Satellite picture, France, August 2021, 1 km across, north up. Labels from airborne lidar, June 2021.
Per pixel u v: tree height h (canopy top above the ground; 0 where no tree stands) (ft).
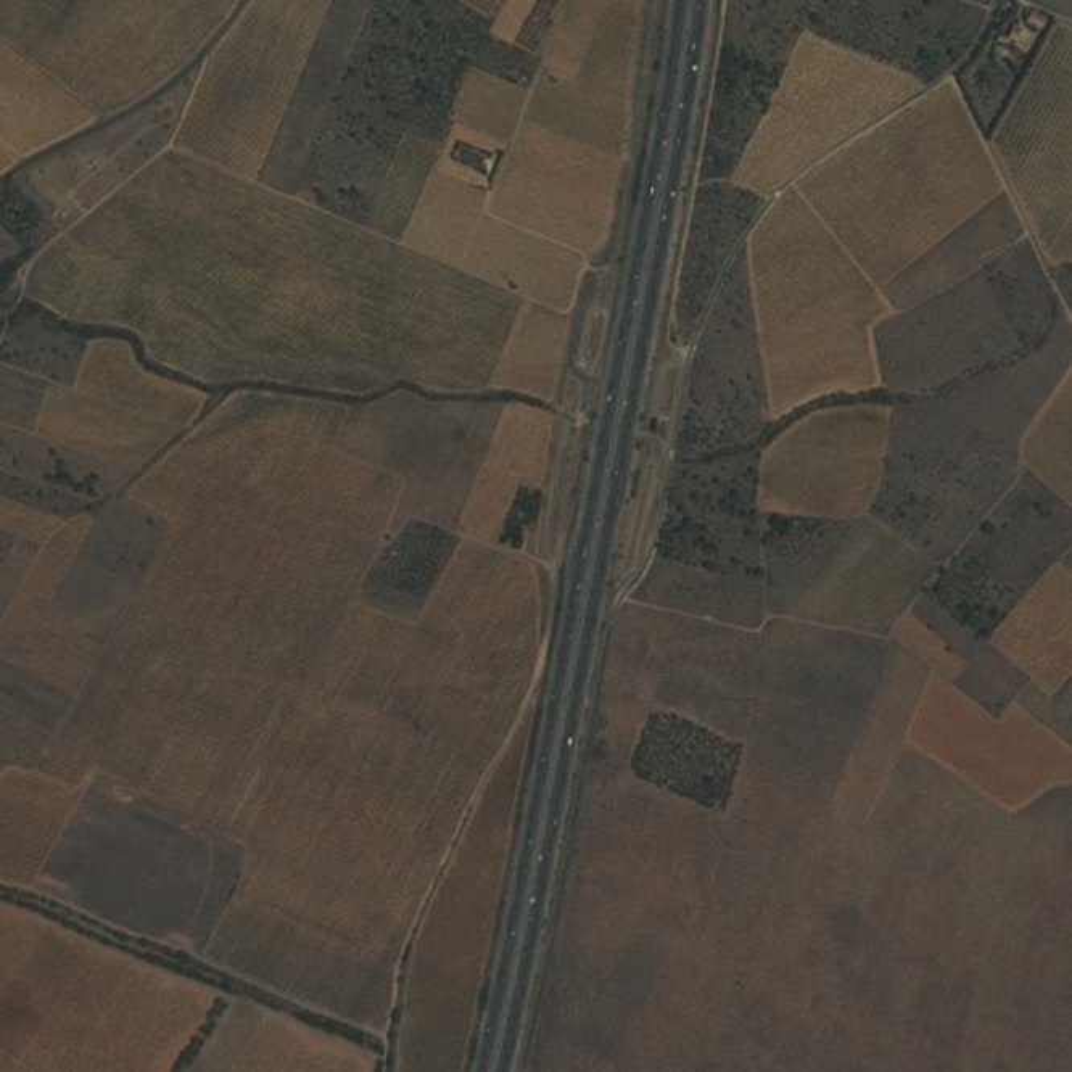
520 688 0
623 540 0
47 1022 0
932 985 0
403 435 0
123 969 0
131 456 0
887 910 0
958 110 0
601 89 0
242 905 0
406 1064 0
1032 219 0
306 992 0
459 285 0
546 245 0
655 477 0
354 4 0
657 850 0
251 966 0
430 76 0
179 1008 0
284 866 0
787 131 0
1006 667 0
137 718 0
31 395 0
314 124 0
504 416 0
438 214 0
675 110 0
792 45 0
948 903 0
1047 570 0
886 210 0
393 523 0
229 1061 0
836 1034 0
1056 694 0
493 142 0
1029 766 0
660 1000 0
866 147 0
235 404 0
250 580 0
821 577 0
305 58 0
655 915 0
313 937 0
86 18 0
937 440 0
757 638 0
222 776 0
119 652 0
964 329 0
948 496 0
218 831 0
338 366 0
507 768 0
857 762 0
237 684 0
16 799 0
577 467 0
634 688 0
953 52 26
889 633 0
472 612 0
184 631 0
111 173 0
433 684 0
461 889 0
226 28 0
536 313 0
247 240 0
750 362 0
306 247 0
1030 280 0
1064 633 0
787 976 0
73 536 0
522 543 23
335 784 0
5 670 0
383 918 0
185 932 0
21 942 0
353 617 0
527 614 0
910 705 0
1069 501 0
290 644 0
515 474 0
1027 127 0
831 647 0
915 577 0
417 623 0
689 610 0
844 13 0
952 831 0
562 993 0
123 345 0
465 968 0
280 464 0
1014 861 0
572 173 0
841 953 0
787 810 0
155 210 0
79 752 0
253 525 0
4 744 0
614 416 0
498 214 0
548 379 0
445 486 0
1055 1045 0
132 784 0
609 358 0
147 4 0
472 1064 0
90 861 0
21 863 0
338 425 0
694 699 0
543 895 0
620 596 0
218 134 0
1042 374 0
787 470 0
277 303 0
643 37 0
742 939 0
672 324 0
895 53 0
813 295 0
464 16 0
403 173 0
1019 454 0
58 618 0
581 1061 0
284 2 0
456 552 0
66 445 0
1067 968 0
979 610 23
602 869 0
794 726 0
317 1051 0
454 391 0
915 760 0
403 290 0
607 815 0
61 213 0
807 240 0
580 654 0
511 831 0
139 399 0
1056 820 0
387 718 0
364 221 0
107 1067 0
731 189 0
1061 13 0
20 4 0
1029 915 0
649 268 0
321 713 0
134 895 0
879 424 0
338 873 0
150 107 0
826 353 0
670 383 0
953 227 0
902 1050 0
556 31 0
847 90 0
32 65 0
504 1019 0
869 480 0
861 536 0
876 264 0
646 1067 0
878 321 0
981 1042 0
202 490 0
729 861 0
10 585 0
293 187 0
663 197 0
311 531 0
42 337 0
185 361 0
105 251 0
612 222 0
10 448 0
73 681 0
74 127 0
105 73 0
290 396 0
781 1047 0
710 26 0
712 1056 0
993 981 0
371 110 0
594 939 0
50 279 0
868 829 0
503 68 0
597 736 0
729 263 0
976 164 0
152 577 0
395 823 0
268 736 0
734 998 0
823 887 0
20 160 0
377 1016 0
